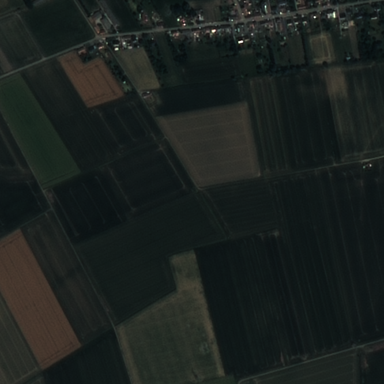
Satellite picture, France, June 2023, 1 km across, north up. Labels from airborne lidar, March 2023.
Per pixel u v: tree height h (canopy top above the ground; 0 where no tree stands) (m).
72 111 0
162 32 0
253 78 0
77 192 0
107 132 0
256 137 0
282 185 0
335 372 0
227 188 0
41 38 0
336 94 0
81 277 0
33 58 0
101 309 0
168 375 0
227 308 0
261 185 0
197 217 0
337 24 0
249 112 0
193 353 0
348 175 0
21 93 0
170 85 0
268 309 0
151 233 0
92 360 0
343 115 0
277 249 0
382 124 0
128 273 0
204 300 0
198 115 0
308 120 0
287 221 0
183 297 0
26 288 0
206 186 0
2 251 0
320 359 0
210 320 0
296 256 0
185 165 0
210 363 0
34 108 0
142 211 0
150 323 0
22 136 0
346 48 0
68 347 0
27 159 0
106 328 0
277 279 0
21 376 0
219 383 0
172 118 0
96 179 0
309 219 0
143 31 0
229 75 0
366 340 0
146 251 0
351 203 0
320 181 0
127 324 0
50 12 0
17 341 0
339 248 0
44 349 0
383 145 0
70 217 0
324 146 0
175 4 0
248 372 0
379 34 0
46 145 0
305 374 0
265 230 0
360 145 0
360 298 0
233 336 0
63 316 0
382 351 0
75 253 0
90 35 0
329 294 0
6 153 0
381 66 0
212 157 0
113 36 0
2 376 0
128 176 0
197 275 0
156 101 0
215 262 0
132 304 0
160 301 0
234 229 0
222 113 0
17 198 0
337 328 0
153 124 0
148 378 0
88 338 0
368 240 0
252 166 0
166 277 0
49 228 0
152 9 0
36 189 0
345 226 0
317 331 0
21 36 0
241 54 0
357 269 0
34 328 0
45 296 0
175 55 6
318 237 0
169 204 0
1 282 0
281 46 9
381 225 0
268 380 0
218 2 0
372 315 0
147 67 0
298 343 0
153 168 0
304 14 0
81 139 0
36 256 0
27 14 0
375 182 0
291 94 0
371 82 0
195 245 0
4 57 0
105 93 0
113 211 0
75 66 0
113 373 0
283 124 0
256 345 0
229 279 0
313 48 0
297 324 0
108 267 0
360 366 0
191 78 0
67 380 0
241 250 0
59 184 0
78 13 0
